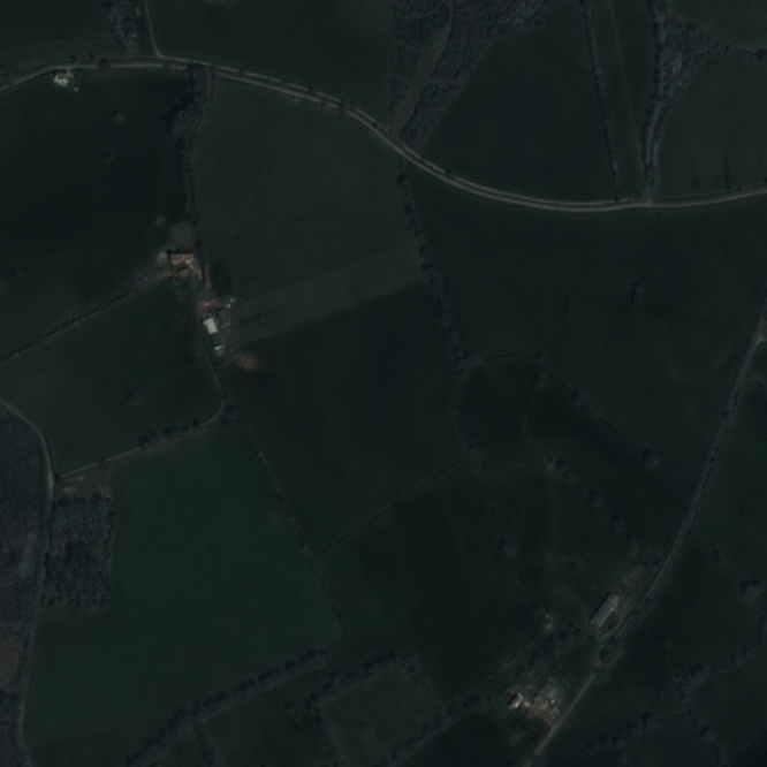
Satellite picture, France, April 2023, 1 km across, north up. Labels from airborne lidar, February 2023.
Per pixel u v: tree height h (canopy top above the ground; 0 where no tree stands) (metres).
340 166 0
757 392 0
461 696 0
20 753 19
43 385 0
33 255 0
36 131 0
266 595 0
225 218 0
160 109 0
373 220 0
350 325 0
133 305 0
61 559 7
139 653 0
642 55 0
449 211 0
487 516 0
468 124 0
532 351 0
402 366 0
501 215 0
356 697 0
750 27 0
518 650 0
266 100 0
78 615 0
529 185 0
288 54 0
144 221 0
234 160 0
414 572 0
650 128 12
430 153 0
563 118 0
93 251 0
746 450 0
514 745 0
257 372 0
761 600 0
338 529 0
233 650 0
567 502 0
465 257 0
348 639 0
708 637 0
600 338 0
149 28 0
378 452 0
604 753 0
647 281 0
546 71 0
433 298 0
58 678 0
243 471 0
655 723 14
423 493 0
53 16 0
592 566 0
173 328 0
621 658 0
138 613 0
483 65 0
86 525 16
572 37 0
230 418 13
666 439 0
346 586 0
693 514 0
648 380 0
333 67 0
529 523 0
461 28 7
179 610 0
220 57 0
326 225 0
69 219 0
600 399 0
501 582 0
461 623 0
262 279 0
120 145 0
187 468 0
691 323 0
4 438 16
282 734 0
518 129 0
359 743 0
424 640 0
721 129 0
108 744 0
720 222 0
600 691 0
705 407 0
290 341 0
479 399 0
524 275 0
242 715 0
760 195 0
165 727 0
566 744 0
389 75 0
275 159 0
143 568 0
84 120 0
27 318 0
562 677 0
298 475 0
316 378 0
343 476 0
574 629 13
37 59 0
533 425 0
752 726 0
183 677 0
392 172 0
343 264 0
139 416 0
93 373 0
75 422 0
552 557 0
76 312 0
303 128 0
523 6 7
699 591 0
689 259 0
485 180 0
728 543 0
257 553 0
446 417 0
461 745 0
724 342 0
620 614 0
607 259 0
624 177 0
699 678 20
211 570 0
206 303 0
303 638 0
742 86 0
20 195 0
